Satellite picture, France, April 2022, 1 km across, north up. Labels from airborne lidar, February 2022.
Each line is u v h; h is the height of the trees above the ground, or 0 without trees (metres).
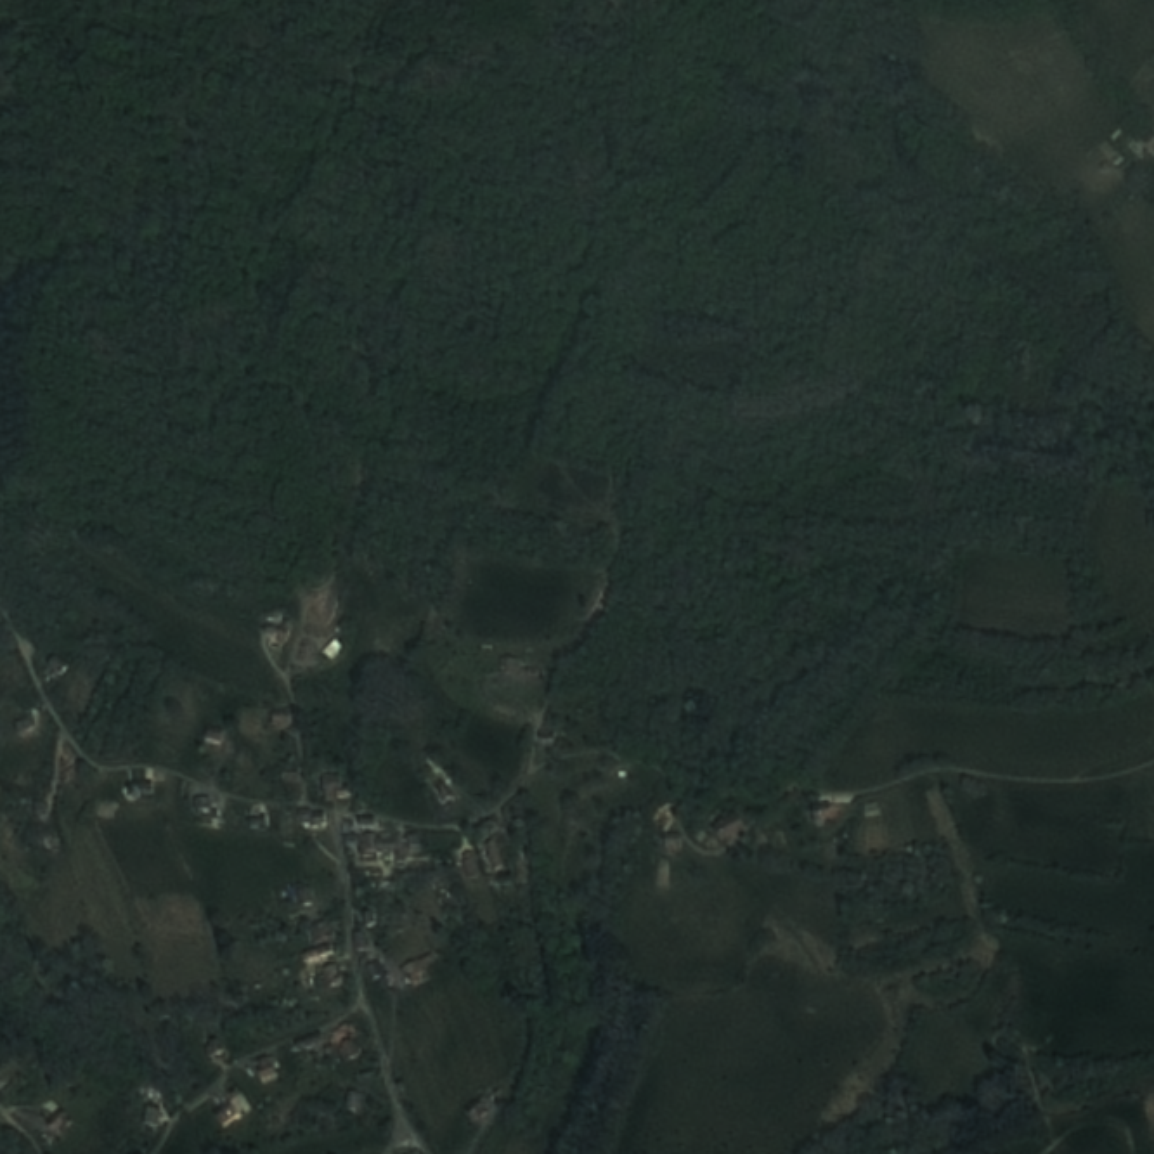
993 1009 0
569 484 0
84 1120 0
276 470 20
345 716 0
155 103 19
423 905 0
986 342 12
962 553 7
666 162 11
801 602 22
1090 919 0
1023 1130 26
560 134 19
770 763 23
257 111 20
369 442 22
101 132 25
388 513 22
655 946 0
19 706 0
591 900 19
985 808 0
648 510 25
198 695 0
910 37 22
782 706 21
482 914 0
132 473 23
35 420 19
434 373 24
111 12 9
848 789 0
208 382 22
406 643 0
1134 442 24
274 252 10
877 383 7
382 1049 0
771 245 18
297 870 0
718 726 21
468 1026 0
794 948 0
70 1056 18
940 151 23
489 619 0
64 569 9
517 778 0
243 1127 0
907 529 19
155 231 27
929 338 21
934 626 19
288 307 17
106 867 0
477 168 21
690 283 16
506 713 0
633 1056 26
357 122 21
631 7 11
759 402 23
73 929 0
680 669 19
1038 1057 6
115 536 26
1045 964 0
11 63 25
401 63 21
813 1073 0
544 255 19
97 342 25
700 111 19
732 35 19
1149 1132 0
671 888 0
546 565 10
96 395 22
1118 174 0
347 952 0
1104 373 18
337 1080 0
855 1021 0
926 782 0
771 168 13
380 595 0
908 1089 10
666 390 15
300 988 10
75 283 25
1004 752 0
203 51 14
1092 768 0
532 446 20
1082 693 9
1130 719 0
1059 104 0
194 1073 14
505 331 22
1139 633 0
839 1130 14
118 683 14
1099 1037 0
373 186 24
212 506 25
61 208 29
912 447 12
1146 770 0
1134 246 0
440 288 27
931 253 27
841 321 26
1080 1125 0
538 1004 15
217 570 18
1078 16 14
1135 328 6
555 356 10
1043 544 7
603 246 22
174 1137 0
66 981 8
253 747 0
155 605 0
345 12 20
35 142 25
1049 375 9
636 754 20
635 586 24
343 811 0
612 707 21
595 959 29
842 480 7
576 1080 0
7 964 26
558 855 0
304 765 6
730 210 15
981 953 0
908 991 0
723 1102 0
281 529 18
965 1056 0
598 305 24
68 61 12
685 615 26
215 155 24
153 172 30
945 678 12
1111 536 0
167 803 0
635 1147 0
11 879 0
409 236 22
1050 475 26
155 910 0
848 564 6
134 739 7
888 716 0
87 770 14
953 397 23
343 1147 0
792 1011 0
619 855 17
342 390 23
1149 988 0
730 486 17
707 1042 0
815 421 9
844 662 24
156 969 0
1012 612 0
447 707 0
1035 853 0
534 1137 21
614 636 25
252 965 0
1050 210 6
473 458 16
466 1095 0
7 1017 24
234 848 0
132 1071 25
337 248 20
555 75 11
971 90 0
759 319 11
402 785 0
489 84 23
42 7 6
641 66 18
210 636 0
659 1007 17
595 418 18
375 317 30
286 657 0
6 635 24
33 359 17
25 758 0
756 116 20
